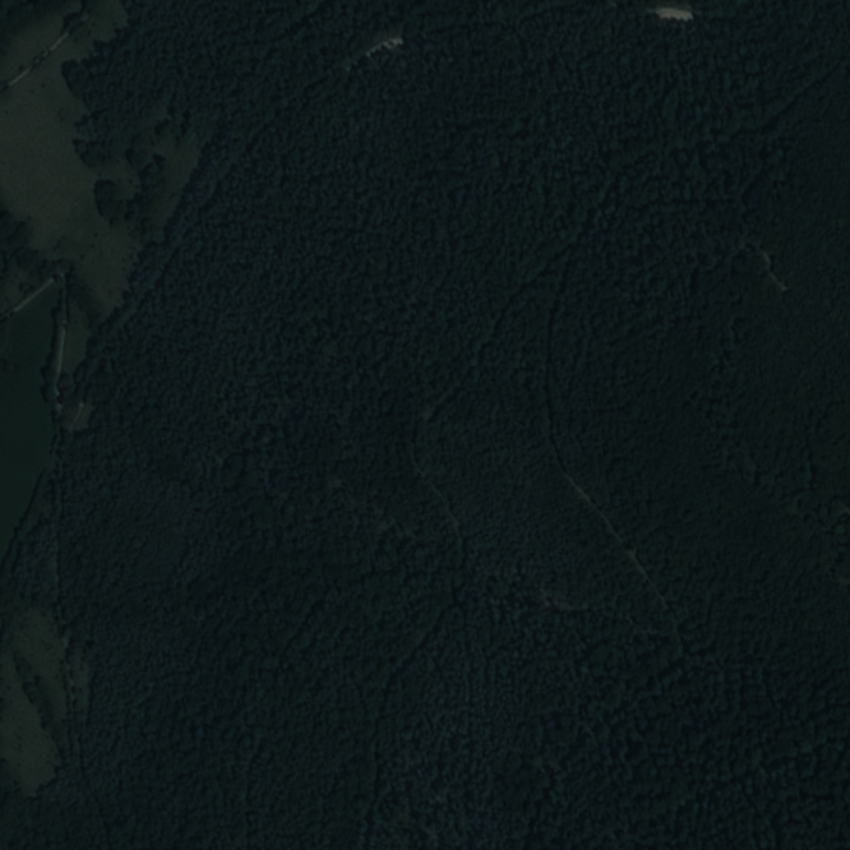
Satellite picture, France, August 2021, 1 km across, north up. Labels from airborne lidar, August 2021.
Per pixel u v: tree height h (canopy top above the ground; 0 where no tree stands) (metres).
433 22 21
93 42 0
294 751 20
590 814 15
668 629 28
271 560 22
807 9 20
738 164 23
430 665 22
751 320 16
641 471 16
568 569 23
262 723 20
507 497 18
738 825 23
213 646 20
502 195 18
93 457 17
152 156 0
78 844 19
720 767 21
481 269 18
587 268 20
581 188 19
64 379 12
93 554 16
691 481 20
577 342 13
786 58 19
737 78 21
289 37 16
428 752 24
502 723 25
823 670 21
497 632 24
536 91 23
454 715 23
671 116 20
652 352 19
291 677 22
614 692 27
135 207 16
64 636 14
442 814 26
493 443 19
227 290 22
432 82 10
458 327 25
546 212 13
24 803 13
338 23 20
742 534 19
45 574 16
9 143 0
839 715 22
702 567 23
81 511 15
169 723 21
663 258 21
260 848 16
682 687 21
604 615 24
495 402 17
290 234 15
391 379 18
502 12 26
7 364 13
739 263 22
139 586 10
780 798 25
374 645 18
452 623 23
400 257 17
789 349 13
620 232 19
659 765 23
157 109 13
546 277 19
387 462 11
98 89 16
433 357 16
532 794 20
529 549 20
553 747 20
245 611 19
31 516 6
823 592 21
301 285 15
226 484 20
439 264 19
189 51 19
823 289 16
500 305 16
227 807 21
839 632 18
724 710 23
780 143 8
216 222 15
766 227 20
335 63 18
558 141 17
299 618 24
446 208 18
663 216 16
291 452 17
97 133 16
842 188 18
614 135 18
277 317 11
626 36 17
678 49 15
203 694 23
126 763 15
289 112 15
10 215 13
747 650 19
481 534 20
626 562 16
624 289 23
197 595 20
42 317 0
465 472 15
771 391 14
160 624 16
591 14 17
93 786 16
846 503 24
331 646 23
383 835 25
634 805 17
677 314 18
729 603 15
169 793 20
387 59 16
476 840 22
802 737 25
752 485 15
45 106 0
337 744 17
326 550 24
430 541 14
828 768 22
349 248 22
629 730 26
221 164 18
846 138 16
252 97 19
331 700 19
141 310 11
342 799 21
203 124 14
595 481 17
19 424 0
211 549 19
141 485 17
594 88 17
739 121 18
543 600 24
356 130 16
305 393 18
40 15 17
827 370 19
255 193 15
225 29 23
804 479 24
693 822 23
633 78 10
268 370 14
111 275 0
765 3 16
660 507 18
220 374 14
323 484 18
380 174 15
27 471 0
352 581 16
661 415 22
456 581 21
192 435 14
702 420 21
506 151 17
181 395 8
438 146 16
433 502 17
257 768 16
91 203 0
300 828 18
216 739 20
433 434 17
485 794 27
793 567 16
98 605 18
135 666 18
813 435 24
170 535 10
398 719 21
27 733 0
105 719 16
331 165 15
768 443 15
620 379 19
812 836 17
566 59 19
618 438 17
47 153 0
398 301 18
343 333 17
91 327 6
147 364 10
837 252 15
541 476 17
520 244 16
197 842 23
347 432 14
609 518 12
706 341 20
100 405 15
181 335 20
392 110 15
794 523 16
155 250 15
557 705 27
